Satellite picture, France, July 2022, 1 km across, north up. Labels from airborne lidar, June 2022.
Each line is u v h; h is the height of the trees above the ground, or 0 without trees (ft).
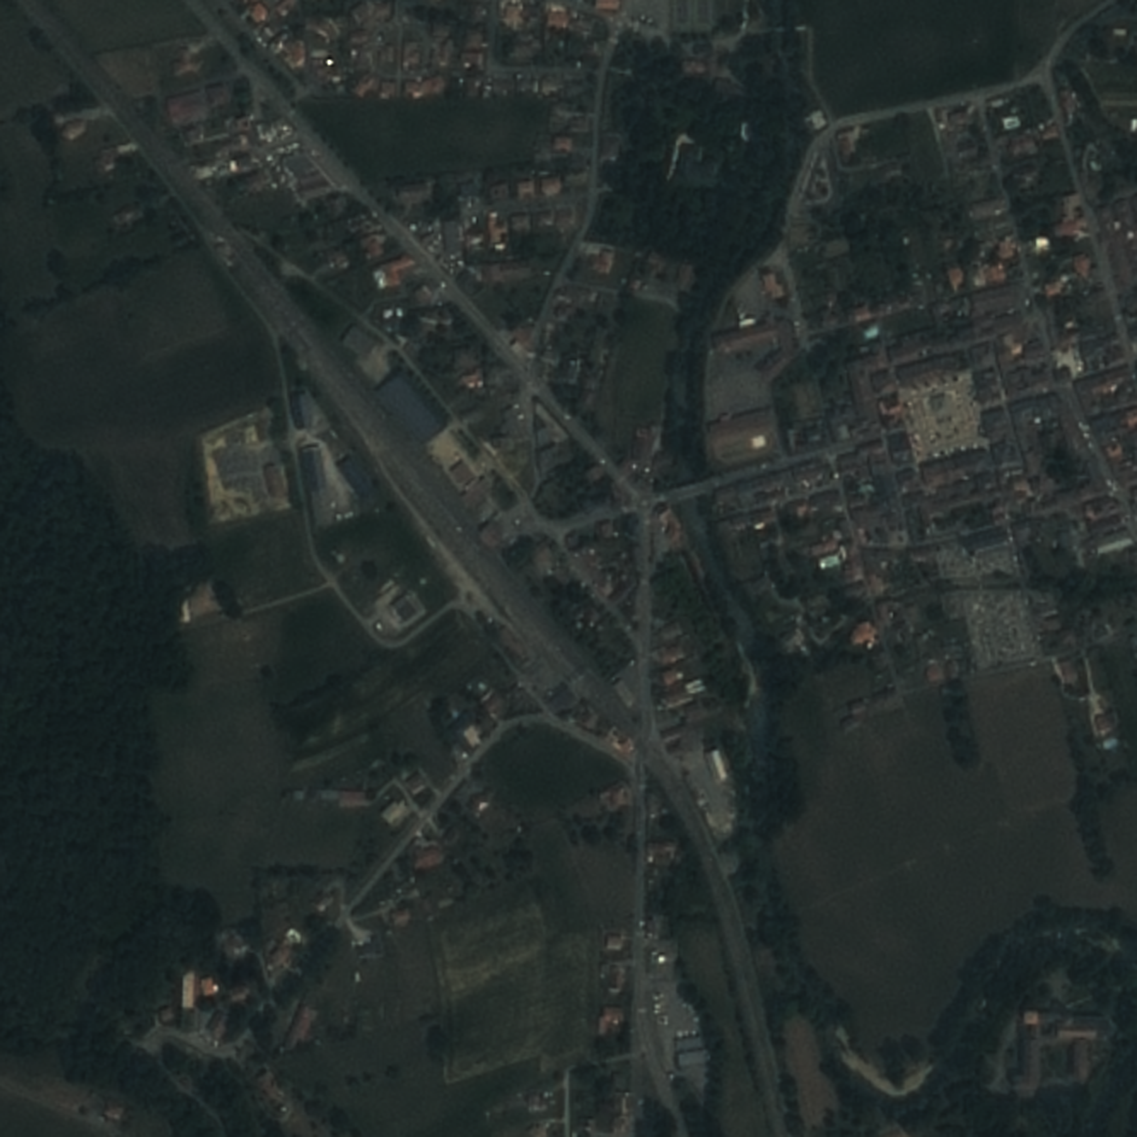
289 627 0
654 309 0
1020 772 0
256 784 0
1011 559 0
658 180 82
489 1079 0
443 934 0
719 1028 52
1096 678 0
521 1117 0
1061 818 0
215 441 0
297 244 0
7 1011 77
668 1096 0
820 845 0
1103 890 0
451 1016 0
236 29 0
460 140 0
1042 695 0
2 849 64
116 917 78
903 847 0
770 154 69
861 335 0
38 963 97
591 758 0
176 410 0
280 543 0
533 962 0
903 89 0
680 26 0
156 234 0
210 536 0
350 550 0
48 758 63
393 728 0
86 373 0
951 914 0
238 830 0
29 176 0
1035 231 35
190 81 0
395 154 0
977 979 70
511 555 29
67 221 0
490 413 0
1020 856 0
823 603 0
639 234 39
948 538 0
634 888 0
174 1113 55
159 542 0
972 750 37
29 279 0
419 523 0
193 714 0
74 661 86
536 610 0
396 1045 0
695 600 28
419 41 0
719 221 89
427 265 0
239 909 0
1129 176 45
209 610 0
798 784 85
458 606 0
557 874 0
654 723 0
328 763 0
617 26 0
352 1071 0
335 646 0
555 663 0
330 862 0
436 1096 0
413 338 23
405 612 0
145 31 0
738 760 67
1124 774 33
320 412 0
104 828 70
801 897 0
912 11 0
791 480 0
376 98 0
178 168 0
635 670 0
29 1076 0
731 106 49
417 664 0
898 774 0
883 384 0
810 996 58
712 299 27
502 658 23
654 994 0
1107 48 29
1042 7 0
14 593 27
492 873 45
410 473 0
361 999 0
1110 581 23
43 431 0
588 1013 0
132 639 68
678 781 0
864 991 0
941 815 0
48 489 94
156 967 87
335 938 46
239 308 0
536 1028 0
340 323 0
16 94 0
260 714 0
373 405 0
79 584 91
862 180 0
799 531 19
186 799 0
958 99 0
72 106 42
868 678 0
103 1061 79
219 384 0
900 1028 0
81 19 0
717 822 0
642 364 0
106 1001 90
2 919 70
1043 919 65
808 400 0
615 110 21
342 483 0
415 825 0
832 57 0
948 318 19
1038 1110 52
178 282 0
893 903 0
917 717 0
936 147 0
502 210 0
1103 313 0
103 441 0
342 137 0
